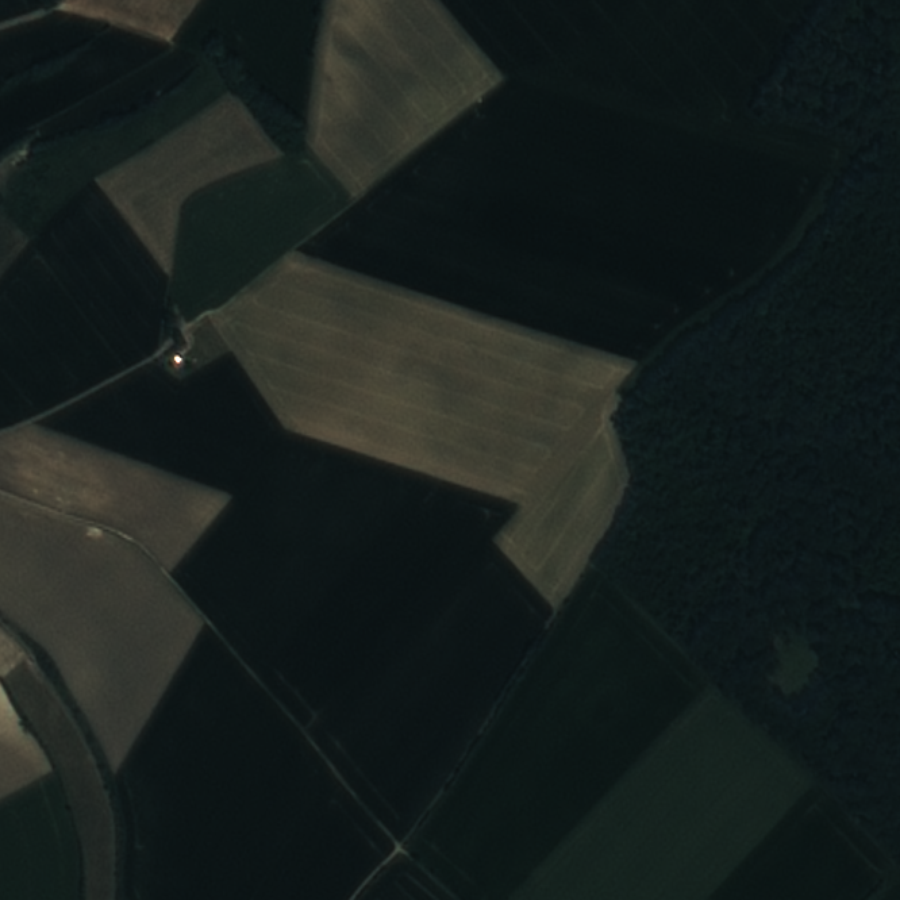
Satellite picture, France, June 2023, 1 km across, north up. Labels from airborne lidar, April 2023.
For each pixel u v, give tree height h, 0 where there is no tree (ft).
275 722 0
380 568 0
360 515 0
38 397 0
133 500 0
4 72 0
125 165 0
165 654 0
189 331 0
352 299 0
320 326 0
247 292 0
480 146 0
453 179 0
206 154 0
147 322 0
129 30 0
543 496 0
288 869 0
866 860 0
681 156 0
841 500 93
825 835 0
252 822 0
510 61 0
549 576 0
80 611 0
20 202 0
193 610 0
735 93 0
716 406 81
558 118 0
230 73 50
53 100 0
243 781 0
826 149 0
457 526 0
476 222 0
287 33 0
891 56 81
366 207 0
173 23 0
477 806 0
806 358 61
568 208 0
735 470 82
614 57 0
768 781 0
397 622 0
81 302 0
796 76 72
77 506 0
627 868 0
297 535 0
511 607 0
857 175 79
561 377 0
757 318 69
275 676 0
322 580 0
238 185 0
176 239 0
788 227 0
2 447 0
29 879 0
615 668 0
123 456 0
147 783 0
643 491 52
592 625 0
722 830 0
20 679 0
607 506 0
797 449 93
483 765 0
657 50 0
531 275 0
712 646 73
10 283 0
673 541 43
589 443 0
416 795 0
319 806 0
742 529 41
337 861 0
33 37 0
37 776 0
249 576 0
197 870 0
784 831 0
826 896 0
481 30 0
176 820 0
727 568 29
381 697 0
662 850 0
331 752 0
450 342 0
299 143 55
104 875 0
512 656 0
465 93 0
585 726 0
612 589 0
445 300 0
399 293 0
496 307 0
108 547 0
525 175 0
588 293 0
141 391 0
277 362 0
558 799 0
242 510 0
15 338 0
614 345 0
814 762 72
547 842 0
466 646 0
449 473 0
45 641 0
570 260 0
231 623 0
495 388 0
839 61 79
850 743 82
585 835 0
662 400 58
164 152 0
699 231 0
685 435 55
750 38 0
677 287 0
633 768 0
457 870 0
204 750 0
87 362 0
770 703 83
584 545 0
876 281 39
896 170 90
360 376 0
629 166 0
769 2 0
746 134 0
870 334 40
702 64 0
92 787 0
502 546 0
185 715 0
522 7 0
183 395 0
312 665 0
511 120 0
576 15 0
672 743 0
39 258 0
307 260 0
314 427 0
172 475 0
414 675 0
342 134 0
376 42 0
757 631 81
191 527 0
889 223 79
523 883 0
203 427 0
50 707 0
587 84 0
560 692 0
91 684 0
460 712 0
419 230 0
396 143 0
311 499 0
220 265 0
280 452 0
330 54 0
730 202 0
